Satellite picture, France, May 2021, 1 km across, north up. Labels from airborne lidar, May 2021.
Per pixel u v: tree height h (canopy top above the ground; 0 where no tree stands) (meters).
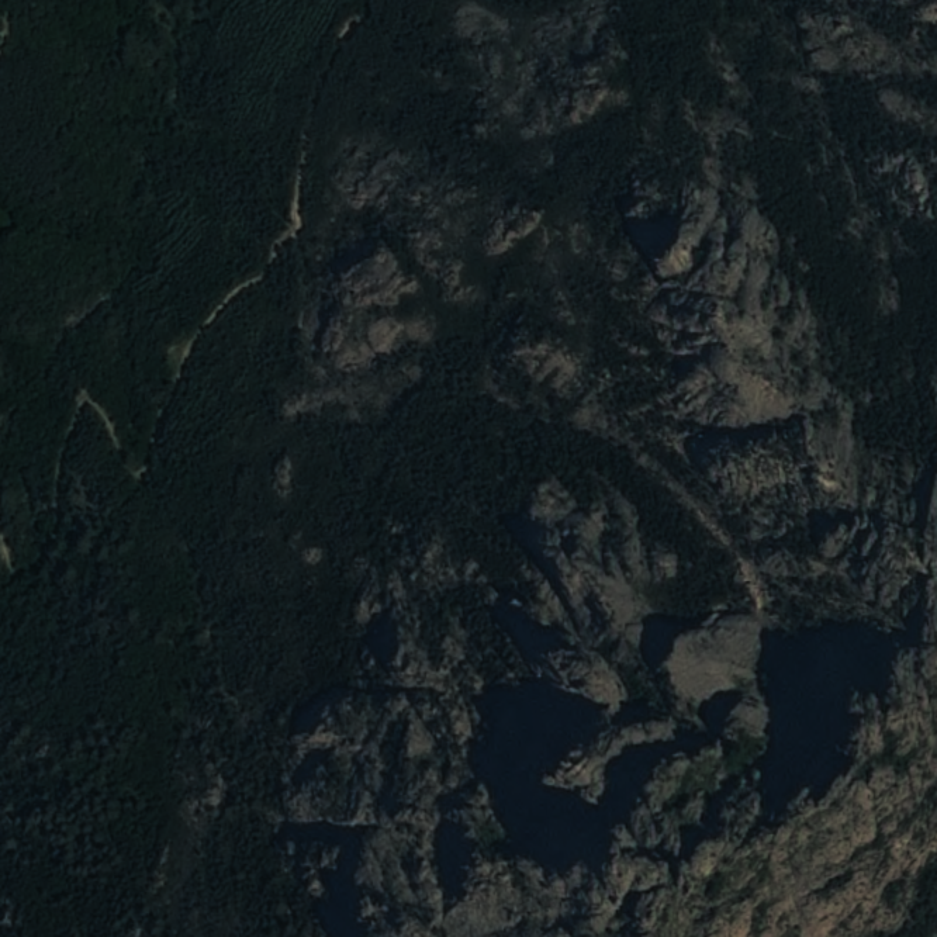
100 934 12
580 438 20
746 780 8
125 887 13
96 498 19
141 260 19
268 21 16
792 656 6
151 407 13
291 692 6
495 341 14
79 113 9
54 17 14
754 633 0
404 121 15
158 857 7
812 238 19
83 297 6
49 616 11
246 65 21
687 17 12
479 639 11
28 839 10
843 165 11
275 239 14
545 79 7
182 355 0
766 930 6
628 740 0
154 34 20
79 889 11
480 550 9
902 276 15
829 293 14
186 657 15
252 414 11
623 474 7
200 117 7
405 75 16
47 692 16
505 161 7
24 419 16
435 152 10
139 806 22
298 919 13
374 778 0
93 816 27
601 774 0
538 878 0
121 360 11
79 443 19
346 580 14
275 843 9
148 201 24
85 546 32
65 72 11
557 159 9
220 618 10
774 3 13
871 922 13
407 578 11
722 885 7
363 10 13
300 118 17
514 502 12
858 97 10
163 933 8
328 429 18
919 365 11
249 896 10
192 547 10
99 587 12
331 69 18
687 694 0
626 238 9
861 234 10
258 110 19
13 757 13
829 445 7
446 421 10
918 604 6
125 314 9
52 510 31
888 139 12
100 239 13
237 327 6
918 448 16
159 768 12
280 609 7
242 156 9
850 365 11
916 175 0
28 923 12
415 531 9
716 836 7
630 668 7
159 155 18
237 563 17
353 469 16
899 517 5
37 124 19
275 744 17
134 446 12
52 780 13
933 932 14
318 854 6
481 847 11
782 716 0
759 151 13
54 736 9
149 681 12
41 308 15
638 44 16
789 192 9
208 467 16
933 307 13
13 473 18
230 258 11
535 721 7
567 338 10
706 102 12
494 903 0
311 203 14
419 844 9
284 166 16
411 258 9
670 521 11
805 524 13
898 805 6
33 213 21
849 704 8
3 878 16
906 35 13
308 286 13
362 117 8
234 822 7
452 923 0
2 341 20
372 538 15
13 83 20
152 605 10
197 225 17
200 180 19
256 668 12
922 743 8
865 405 11
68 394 9
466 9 0
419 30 17
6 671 14
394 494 8
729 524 8
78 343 13
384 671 7
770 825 9
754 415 0
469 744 8
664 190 7
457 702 6
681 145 7
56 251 14
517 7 13
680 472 5
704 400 0
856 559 7
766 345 0
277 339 6
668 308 0
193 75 14
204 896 18
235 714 7
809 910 0
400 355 17
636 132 13
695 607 6
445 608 11
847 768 10
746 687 11
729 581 7
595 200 12
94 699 13
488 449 7
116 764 16
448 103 17
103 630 19
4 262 15
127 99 13
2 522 27
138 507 13
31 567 9
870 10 11
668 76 15
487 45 6
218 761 33
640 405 15
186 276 19
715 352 0
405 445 13
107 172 9
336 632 10
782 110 16
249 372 7
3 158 21
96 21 17
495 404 20
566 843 0
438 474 11
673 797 8
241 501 7
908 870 11
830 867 6
